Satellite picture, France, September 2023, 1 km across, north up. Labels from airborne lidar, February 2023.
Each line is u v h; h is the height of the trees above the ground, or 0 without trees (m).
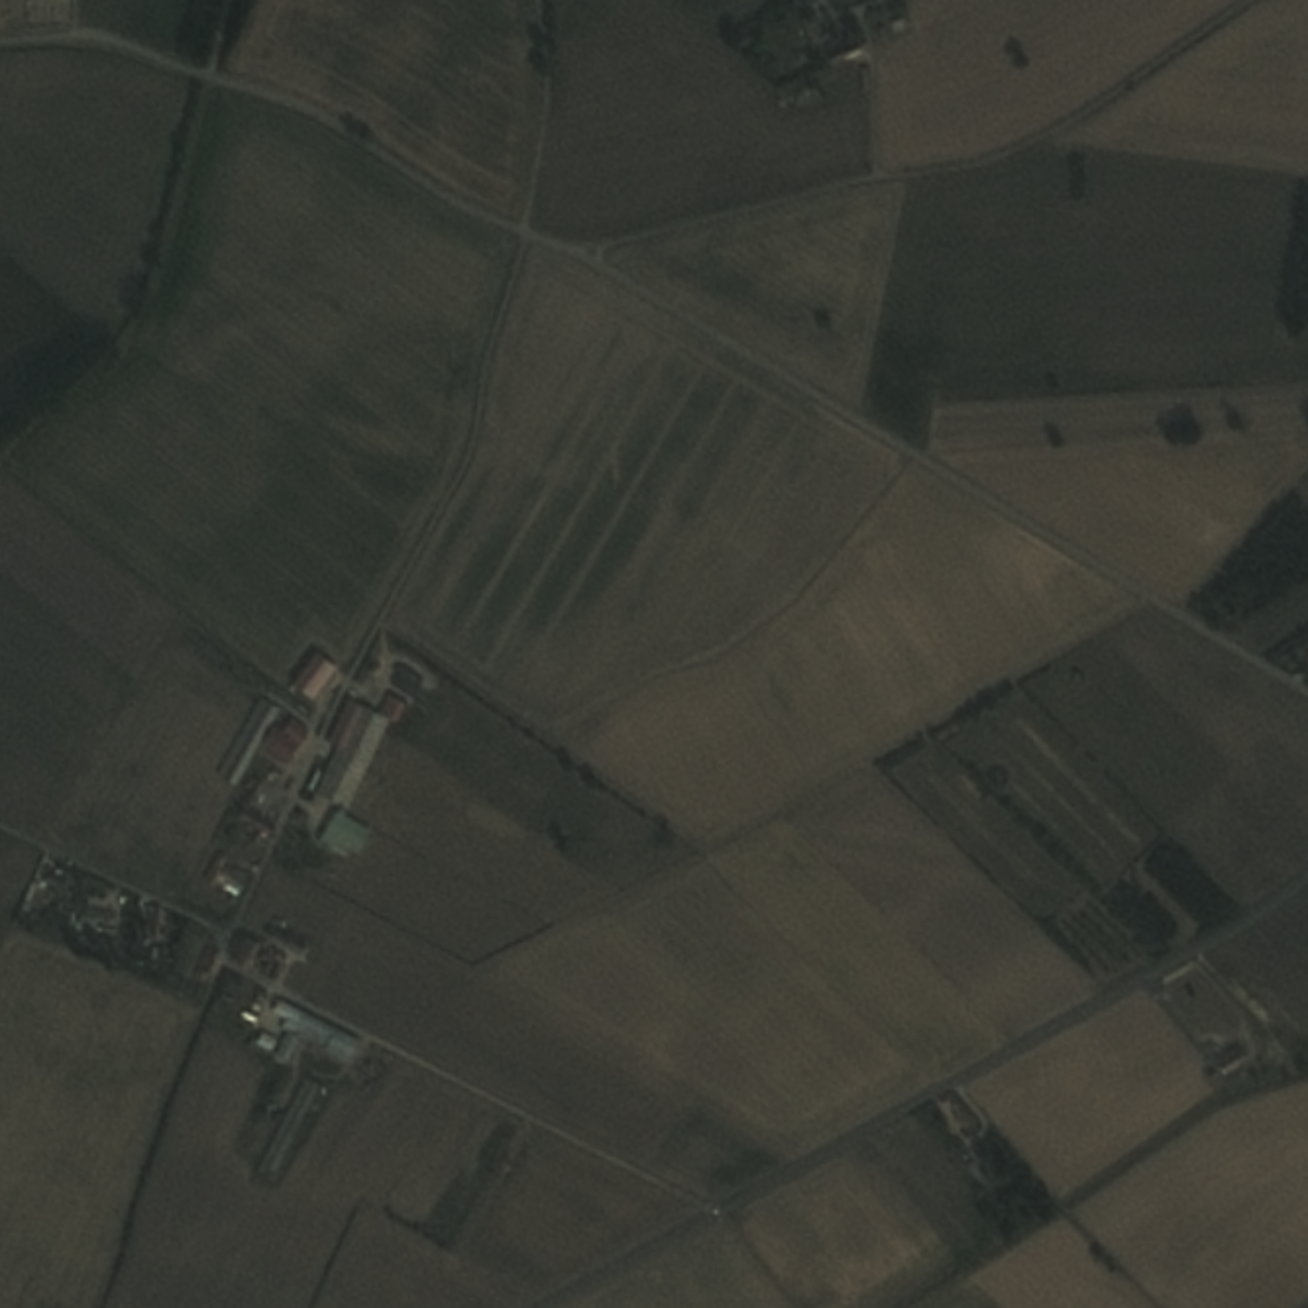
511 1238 0
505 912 0
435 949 0
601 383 0
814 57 9
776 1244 0
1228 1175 0
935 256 0
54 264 0
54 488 0
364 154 0
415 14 0
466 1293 0
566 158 0
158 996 0
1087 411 0
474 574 0
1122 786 0
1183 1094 0
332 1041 0
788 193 0
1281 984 0
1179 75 0
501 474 0
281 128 0
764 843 0
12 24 0
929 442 0
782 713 0
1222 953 0
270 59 0
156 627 10
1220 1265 0
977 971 0
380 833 0
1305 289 14
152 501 0
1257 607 8
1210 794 0
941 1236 0
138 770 0
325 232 0
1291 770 0
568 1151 0
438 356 0
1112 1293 0
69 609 0
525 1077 0
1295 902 0
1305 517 6
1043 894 0
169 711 0
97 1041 0
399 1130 0
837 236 0
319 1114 0
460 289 0
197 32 10
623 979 0
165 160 0
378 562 0
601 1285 0
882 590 0
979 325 0
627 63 0
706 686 0
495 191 0
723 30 10
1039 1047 0
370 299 0
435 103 0
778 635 0
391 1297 0
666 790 0
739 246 0
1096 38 0
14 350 0
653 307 0
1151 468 0
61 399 28
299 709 0
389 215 0
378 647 0
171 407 0
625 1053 0
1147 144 0
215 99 0
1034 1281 0
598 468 0
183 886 0
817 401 0
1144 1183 0
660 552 0
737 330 0
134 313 17
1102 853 0
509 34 0
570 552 0
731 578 0
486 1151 0
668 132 0
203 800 0
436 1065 0
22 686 0
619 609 0
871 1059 0
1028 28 0
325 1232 0
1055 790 0
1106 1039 0
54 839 0
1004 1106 0
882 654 0
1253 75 0
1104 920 0
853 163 0
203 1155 0
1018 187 0
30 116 0
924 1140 0
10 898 0
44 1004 0
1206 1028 0
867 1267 0
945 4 0
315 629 0
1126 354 0
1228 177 0
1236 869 0
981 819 0
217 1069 0
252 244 0
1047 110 0
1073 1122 0
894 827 0
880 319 0
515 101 0
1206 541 0
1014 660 0
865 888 0
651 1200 0
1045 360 0
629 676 0
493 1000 0
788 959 0
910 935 0
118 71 0
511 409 0
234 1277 0
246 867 0
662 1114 0
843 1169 0
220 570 0
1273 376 0
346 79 0
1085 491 0
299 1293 0
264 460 0
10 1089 0
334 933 0
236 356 0
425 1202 0
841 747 0
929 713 0
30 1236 0
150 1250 0
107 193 0
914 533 0
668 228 0
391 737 0
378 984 0
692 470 0
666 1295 0
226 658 0
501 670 0
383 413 0
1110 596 0
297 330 0
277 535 0
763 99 0
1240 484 0
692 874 0
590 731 0
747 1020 0
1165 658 0
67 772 0
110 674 0
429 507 0
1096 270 0
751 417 0
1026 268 0
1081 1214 0
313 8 0
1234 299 0
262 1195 0
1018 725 0
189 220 0
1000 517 0
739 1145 0
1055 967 0
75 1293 0
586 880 0
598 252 0
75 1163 0
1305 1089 0
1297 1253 0
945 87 0
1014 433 0
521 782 0
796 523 0
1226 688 0
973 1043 0
